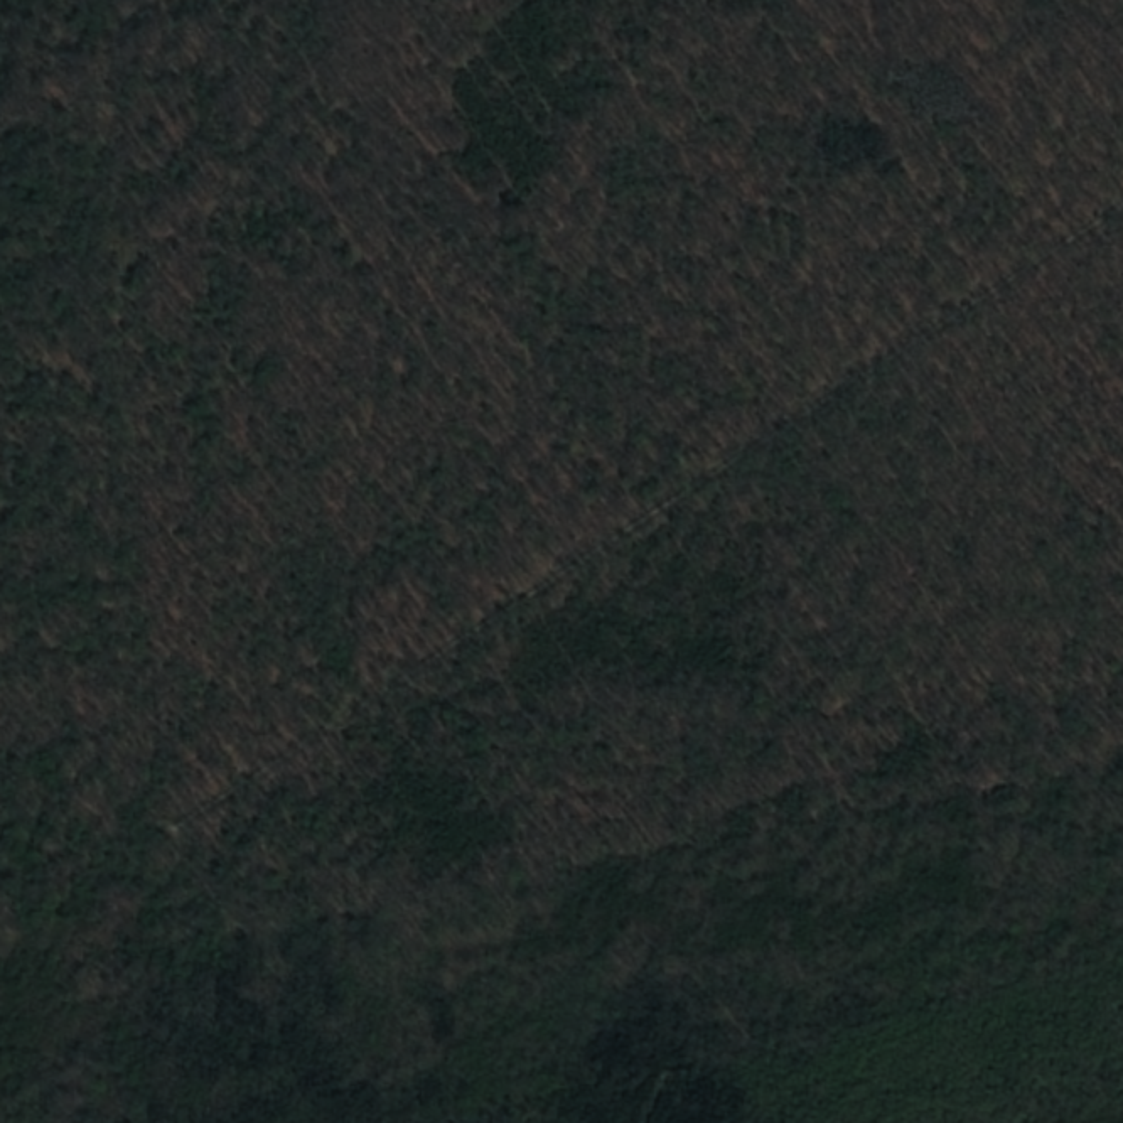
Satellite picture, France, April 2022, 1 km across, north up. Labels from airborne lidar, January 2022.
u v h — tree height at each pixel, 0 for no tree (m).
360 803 18
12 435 27
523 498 23
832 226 24
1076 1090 17
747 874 26
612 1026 23
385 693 19
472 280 28
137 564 22
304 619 22
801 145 21
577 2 7
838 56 0
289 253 26
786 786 24
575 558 25
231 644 17
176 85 25
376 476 22
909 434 24
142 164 21
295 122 27
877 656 25
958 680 24
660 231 22
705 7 16
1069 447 25
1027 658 22
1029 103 21
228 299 25
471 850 14
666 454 24
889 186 23
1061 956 23
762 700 24
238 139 23
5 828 24
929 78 15
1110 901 12
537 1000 23
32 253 21
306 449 24
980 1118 18
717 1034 22
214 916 24
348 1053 21
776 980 25
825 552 22
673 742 24
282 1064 19
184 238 25
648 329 21
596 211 23
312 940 25
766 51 22
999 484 25
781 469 24
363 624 27
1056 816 23
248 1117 18
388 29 23
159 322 24
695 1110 24
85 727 21
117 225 21
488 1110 9
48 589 24
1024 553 23
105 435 26
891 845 24
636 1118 10
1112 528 23
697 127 19
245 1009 18
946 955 26
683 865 23
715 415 25
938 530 23
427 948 22
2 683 20
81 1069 29
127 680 24
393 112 21
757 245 24
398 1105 23
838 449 24
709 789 26
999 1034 18
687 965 23
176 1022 20
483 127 12
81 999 29
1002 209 23
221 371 26
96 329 26
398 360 29
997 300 22
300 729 22
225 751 22
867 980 24
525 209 22
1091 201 22
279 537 22
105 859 24
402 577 24
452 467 24
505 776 24
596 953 25
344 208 25
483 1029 23
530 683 6
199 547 23
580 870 22
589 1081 10
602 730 24
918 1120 12
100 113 28
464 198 21
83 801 26
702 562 20
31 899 24
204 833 17
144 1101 22
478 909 27
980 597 21
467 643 22
